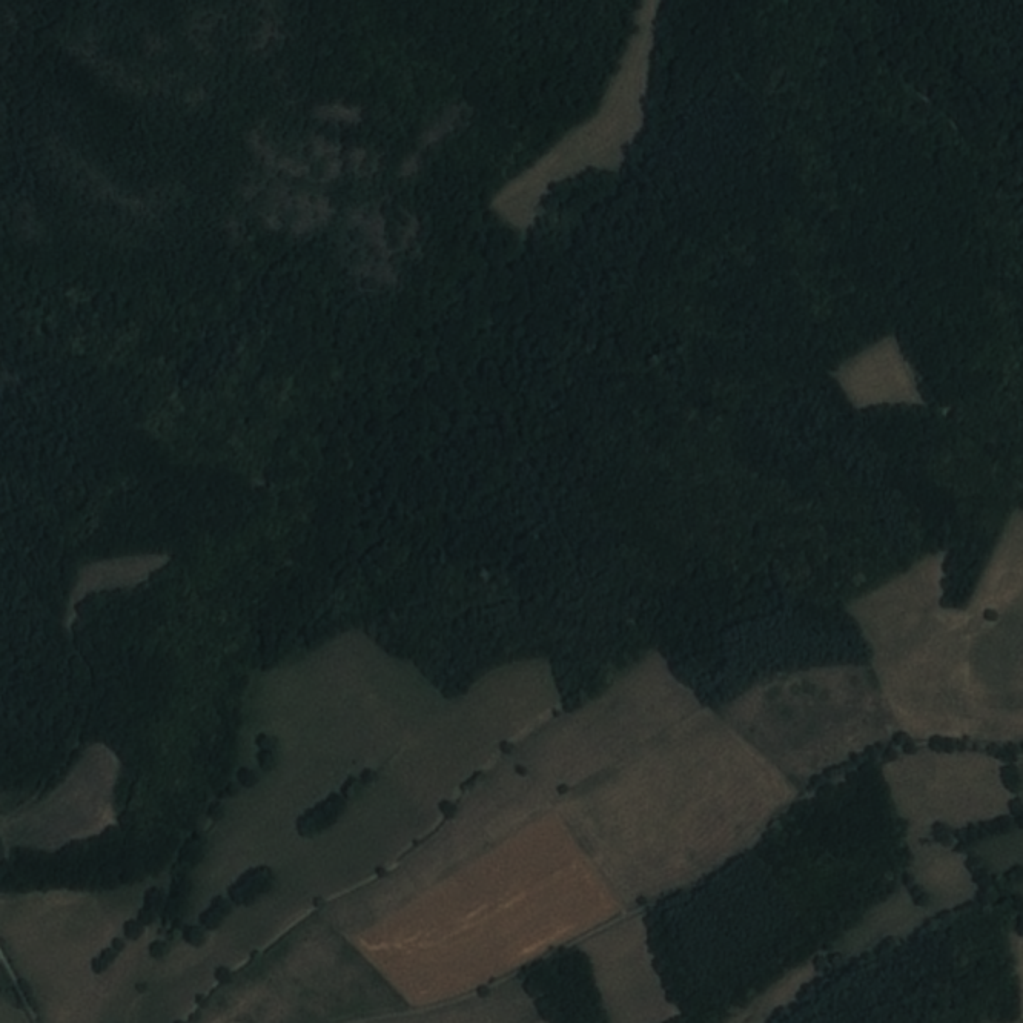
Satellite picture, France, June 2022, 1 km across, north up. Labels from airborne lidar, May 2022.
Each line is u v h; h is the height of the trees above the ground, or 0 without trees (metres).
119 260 15
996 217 16
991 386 18
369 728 0
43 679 20
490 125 17
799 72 16
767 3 17
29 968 0
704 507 18
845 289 17
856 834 18
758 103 17
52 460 19
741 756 0
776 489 15
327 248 10
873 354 0
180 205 14
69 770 10
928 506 21
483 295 15
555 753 0
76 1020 0
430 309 12
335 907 0
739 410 17
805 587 20
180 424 20
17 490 14
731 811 0
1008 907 12
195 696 20
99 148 8
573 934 0
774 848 15
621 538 10
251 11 9
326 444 20
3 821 0
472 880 0
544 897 0
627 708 0
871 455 21
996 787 0
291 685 0
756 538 22
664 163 24
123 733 13
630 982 0
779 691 0
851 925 19
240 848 0
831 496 16
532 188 0
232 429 18
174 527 17
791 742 0
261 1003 0
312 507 18
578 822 0
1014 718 0
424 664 11
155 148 11
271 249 19
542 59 6
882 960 17
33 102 7
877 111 17
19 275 13
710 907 23
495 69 14
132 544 12
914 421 18
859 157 23
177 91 7
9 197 6
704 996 19
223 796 17
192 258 11
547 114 8
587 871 0
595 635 17
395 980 0
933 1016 20
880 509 27
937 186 17
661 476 19
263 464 15
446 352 21
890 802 11
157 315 17
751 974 23
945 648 0
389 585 7
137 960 0
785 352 19
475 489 20
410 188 8
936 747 15
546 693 0
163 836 19
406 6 19
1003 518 10
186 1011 0
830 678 0
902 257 15
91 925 0
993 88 26
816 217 20
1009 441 15
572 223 10
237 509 13
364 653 0
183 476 19
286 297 14
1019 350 16
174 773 18
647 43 0
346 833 0
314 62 9
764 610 12
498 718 0
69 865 19
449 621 10
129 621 15
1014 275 15
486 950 0
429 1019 0
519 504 10
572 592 16
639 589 17
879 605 0
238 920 0
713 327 13
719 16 19
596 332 24
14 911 0
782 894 18
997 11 13
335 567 23
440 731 0
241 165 11
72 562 17
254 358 15
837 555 17
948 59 18
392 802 0
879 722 0
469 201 14
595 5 11
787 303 17
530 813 0
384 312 14
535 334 24
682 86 20
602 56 14
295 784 0
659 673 0
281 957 0
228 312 19
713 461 19
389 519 8
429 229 17
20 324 17
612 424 18
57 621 8
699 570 13
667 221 19
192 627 19
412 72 13
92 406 20
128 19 7
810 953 20
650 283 11
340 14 15
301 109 8
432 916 0
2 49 15
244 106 12
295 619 31
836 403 15
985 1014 14
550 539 15
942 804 0
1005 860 0
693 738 0
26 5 20
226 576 15
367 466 25
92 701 11
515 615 14
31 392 14
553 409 9
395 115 12
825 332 21
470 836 0
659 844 0
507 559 11
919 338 14
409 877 0
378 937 0
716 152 17
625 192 20
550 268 20
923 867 0
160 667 16
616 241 23
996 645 0
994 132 18
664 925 15
